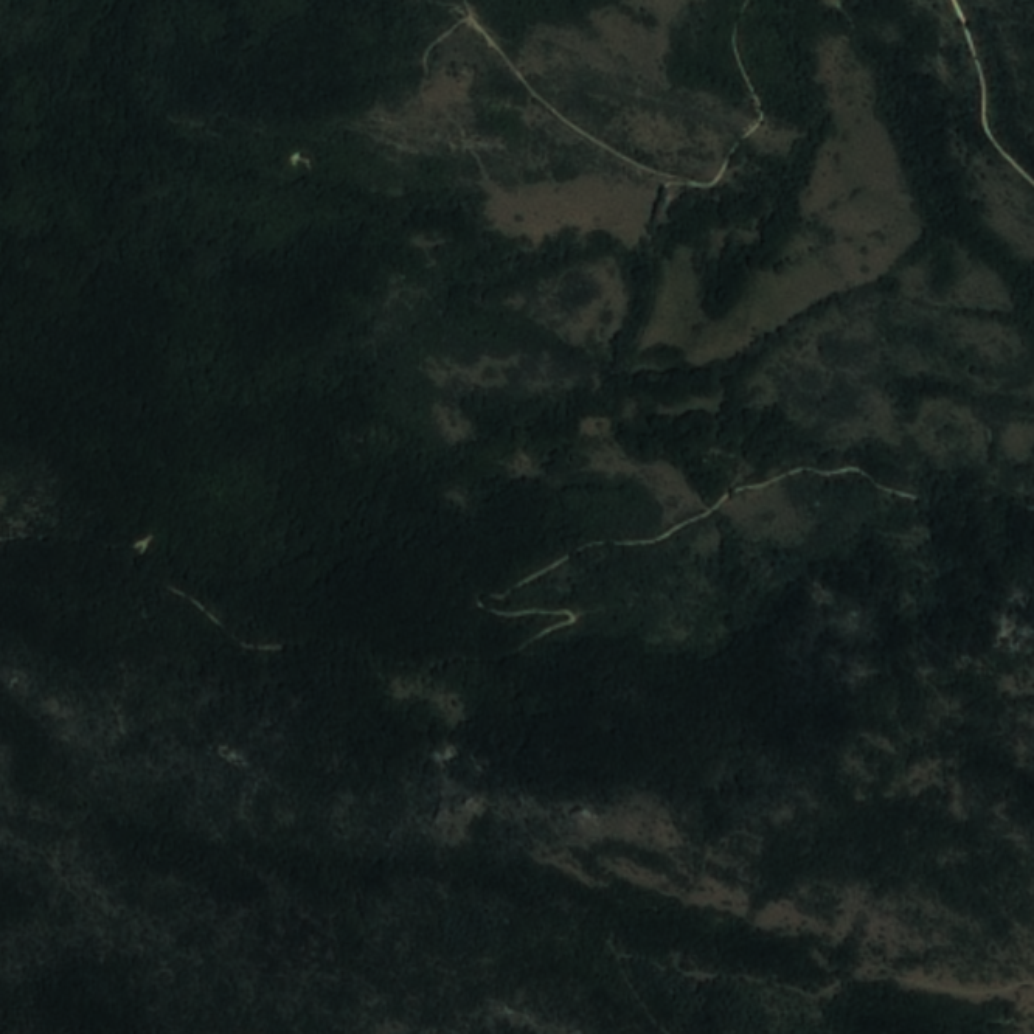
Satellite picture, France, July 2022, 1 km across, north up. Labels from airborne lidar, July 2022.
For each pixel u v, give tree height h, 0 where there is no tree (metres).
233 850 7
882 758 7
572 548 8
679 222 15
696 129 0
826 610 6
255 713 8
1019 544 10
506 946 6
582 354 6
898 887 6
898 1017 7
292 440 10
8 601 12
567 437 9
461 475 9
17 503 6
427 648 17
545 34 0
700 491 7
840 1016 8
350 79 11
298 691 11
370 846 8
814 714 8
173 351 6
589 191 0
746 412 11
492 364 0
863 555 9
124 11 15
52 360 15
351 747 13
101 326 14
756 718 16
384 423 8
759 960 8
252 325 12
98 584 15
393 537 12
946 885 8
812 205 0
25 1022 7
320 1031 6
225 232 9
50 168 11
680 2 0
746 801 6
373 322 7
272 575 23
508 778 6
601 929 6
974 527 6
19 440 16
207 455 10
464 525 11
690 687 11
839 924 0
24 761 8
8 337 15
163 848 11
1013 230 0
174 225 7
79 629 15
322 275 14
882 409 0
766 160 9
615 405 6
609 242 8
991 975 0
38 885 5
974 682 7
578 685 14
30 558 14
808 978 6
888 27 0
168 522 11
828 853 6
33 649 7
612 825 0
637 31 0
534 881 7
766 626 7
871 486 5
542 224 0
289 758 6
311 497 14
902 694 7
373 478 17
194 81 10
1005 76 6
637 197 0
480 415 10
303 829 6
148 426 13
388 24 8
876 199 0
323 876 8
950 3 0
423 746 9
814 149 9
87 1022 13
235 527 9
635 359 9
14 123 8
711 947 10
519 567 11
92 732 6
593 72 0
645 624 8
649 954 8
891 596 7
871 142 0
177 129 8
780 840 6
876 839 7
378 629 18
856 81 0
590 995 6
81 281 15
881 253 0
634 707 9
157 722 6
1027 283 10
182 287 6
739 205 8
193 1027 7
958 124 10
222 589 20
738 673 16
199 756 6
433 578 15
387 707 7
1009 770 7
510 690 10
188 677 9
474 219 8
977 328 0
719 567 8
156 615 12
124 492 14
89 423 13
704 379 17
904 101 8
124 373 14
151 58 8
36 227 7
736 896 0
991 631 9
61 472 10
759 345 9
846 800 8
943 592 10
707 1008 8
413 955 5
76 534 10
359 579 19
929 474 9
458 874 8
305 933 5
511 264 8
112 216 13
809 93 6
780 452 11
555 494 8
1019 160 7
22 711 6
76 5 12
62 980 10
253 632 15
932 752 6
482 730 14
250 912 6
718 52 7
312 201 8
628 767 7
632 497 7
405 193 6
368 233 12
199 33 8
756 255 15
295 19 8
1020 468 10
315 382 6
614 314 0
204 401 9
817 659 7
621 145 6
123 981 8
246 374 13
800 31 7
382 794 6
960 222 12
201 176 8
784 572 7
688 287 0
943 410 0
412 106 0
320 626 8
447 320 6
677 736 9
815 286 0
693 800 10
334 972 6
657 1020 7
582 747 13
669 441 15
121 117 9
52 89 11
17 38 7
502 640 16
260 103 7
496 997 5
